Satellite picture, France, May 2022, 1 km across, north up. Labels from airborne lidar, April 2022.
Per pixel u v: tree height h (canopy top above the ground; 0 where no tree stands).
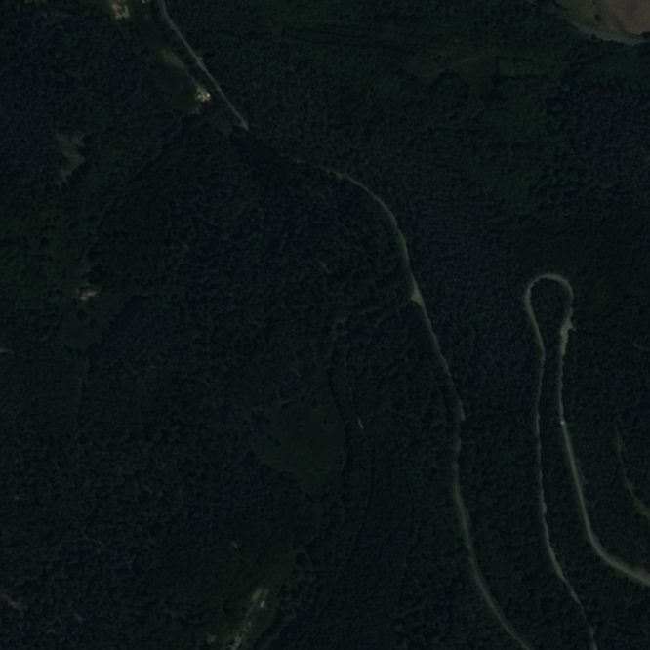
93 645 31
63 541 38
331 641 17
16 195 13
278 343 24
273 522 16
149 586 18
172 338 28
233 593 21
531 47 14
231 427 30
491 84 0
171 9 11
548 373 16
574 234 22
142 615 33
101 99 30
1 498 16
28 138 27
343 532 25
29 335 13
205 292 30
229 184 17
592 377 20
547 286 20
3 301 16
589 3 0
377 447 14
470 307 18
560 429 9
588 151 30
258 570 21
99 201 23
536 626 28
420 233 27
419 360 15
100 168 20
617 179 28
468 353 10
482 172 24
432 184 21
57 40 36
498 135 32
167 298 13
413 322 28
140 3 0
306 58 14
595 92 26
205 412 32
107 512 29
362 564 16
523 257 17
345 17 21
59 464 24
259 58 8
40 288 18
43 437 13
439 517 27
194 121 17
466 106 25
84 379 14
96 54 28
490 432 25
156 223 9
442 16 21
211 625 22
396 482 11
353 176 16
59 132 26
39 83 30
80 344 0
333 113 12
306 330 30
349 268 11
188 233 29
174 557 21
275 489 24
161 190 14
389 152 26
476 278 23
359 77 13
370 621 18
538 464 16
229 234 22
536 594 17
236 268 31
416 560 26
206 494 23
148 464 22
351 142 20
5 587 35
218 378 25
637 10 0
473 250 20
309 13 21
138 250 14
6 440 17
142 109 26
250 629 0
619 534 16
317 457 0
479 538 13
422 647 34
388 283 24
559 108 23
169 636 32
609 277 26
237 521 21
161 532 30
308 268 26
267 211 40
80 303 8
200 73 22
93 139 22
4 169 25
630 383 22
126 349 26
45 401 13
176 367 26
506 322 23
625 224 18
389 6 24
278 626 16
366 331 28
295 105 15
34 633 29
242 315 26
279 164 46
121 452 28
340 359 16
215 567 19
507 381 13
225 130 0
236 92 25
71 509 24
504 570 22
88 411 22
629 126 26
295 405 8
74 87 35
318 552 24
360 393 12
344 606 18
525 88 35
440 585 13
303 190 21
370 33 7
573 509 20
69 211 17
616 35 0
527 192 32
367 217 22
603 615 29
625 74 13
